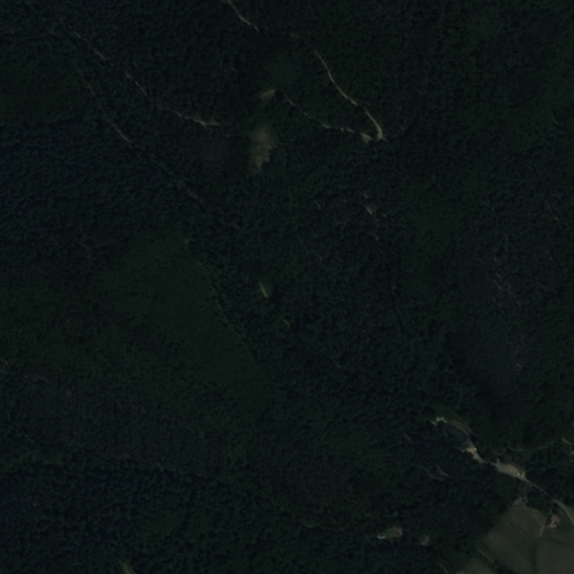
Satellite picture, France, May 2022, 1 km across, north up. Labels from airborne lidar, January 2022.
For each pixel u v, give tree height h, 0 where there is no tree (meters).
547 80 24
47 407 25
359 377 28
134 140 28
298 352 24
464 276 24
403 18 16
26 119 16
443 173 24
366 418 28
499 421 26
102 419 23
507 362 10
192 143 20
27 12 40
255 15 14
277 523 23
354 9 16
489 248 22
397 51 17
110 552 24
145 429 25
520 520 0
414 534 21
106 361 12
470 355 22
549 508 11
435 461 29
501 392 18
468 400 23
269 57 26
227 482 22
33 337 13
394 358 22
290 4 25
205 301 23
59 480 39
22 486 26
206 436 22
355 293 25
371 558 30
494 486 20
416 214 17
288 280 19
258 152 0
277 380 18
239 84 18
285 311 27
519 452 12
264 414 20
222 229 12
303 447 20
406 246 23
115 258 22
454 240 22
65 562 33
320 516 17
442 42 24
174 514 17
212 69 21
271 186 18
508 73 31
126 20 27
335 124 19
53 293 10
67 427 23
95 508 33
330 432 26
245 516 21
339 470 22
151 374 18
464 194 24
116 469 16
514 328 18
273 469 22
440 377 20
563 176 22
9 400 24
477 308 21
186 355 20
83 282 15
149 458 28
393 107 13
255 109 21
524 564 0
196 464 24
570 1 20
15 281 21
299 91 14
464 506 23
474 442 22
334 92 17
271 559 12
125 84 28
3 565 20
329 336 21
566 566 0
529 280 21
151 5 27
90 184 30
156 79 24
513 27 27
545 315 24
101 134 31
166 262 22
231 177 26
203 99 21
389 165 18
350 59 16
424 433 36
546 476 28
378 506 22
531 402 22
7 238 23
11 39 30
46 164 31
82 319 16
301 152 21
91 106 16
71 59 19
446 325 27
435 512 23
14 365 18
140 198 29
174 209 28
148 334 24
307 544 30
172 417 20
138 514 25
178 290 21
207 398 21
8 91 17
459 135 23
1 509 26
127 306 20
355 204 16
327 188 27
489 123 26
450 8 26
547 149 30
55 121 21
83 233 30
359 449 20
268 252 21
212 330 21
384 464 21
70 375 20
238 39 18
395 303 23
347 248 15
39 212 32
